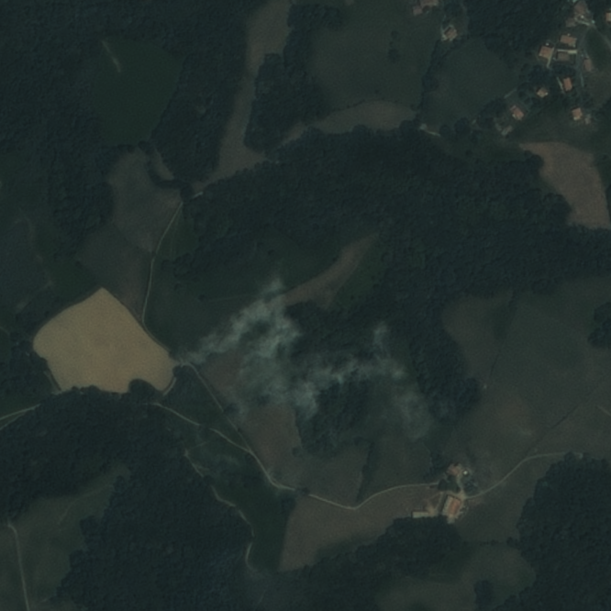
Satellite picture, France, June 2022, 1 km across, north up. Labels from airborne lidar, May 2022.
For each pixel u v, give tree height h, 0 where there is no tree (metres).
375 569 21
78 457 27
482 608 17
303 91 30
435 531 12
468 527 0
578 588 23
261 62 0
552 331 0
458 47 9
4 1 25
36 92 17
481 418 0
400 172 20
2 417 0
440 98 0
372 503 0
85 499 0
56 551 0
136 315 0
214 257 17
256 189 20
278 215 15
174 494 22
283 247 0
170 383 0
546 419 0
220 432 0
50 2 10
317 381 16
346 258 0
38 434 21
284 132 16
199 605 23
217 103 24
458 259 30
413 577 8
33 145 7
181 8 27
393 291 20
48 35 20
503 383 0
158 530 21
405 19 0
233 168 0
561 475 19
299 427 14
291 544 0
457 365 16
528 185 22
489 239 24
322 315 11
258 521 0
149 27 15
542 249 25
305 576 9
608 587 18
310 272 0
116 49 0
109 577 19
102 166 14
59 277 0
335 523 0
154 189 0
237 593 14
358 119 0
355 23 0
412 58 0
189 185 15
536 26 21
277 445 0
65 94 12
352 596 21
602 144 0
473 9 19
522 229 25
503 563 0
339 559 11
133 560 31
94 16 26
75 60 12
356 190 23
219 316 0
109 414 17
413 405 12
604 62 0
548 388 0
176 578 26
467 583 0
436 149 14
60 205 16
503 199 22
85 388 8
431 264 23
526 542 17
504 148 0
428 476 9
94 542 20
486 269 20
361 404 14
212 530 19
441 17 0
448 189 27
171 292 0
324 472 0
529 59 7
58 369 0
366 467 7
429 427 0
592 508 25
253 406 7
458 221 25
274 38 0
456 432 0
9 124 18
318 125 0
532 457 0
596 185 0
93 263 0
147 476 25
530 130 0
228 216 27
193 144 24
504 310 0
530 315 0
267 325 0
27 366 10
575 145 0
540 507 23
